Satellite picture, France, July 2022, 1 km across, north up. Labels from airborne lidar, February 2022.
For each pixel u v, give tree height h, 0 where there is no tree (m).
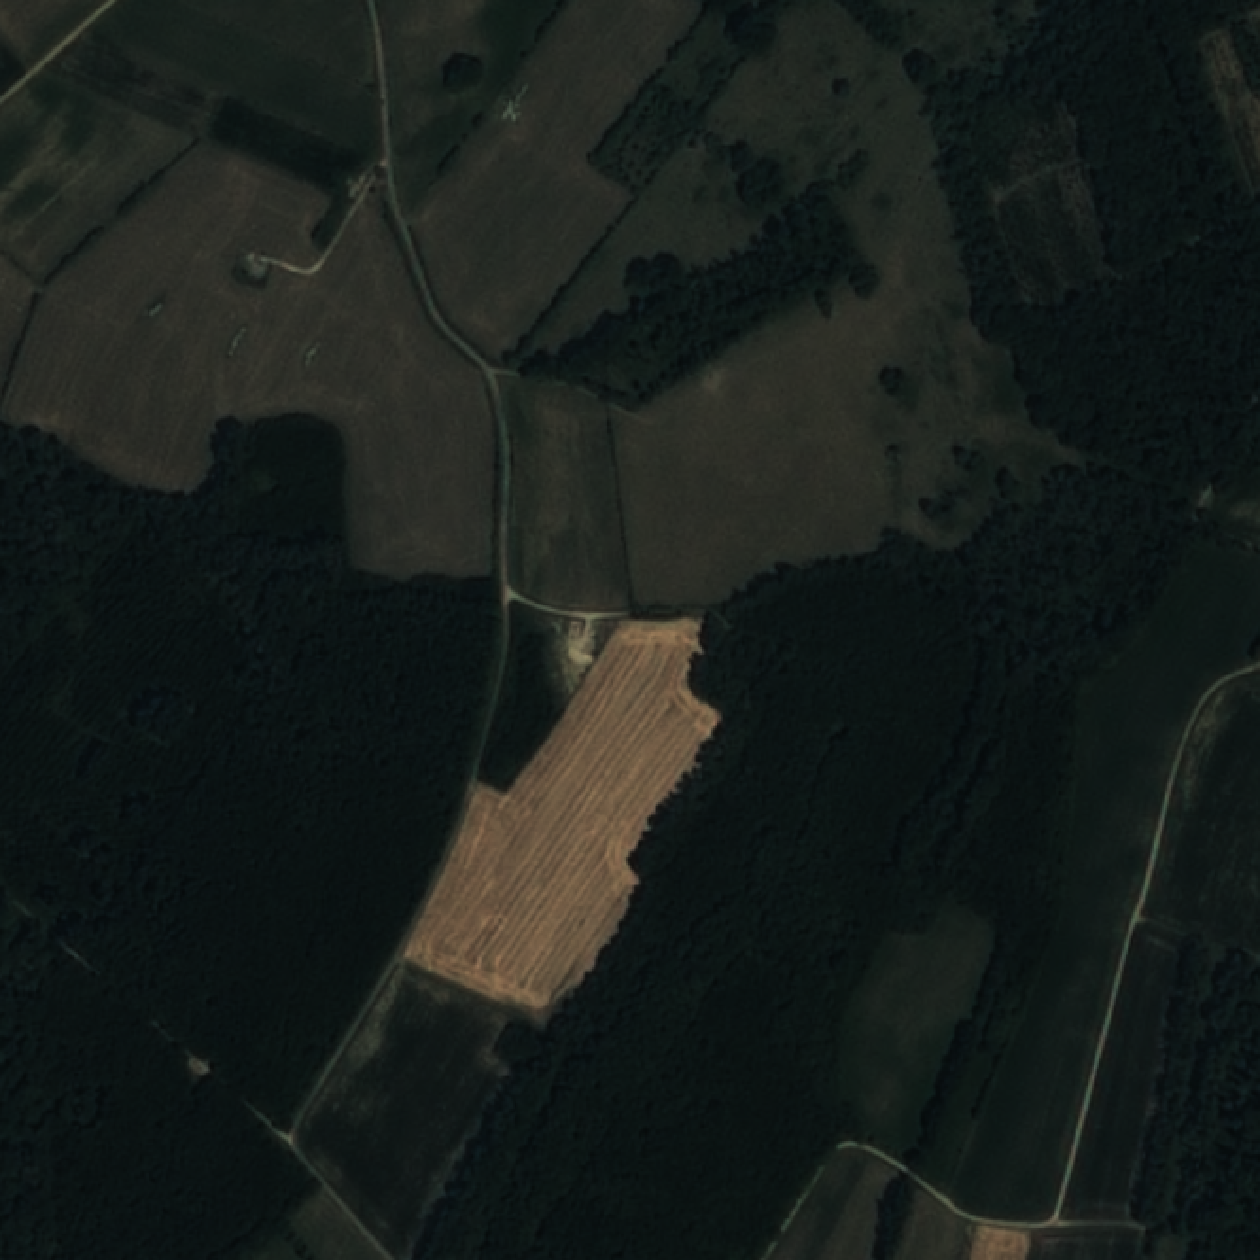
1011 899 14
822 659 9
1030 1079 0
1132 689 0
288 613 24
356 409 0
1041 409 21
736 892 11
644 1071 17
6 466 23
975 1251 0
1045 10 14
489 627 17
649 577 0
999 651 30
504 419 0
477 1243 12
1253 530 0
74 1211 19
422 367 0
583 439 0
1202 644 0
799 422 0
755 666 6
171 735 21
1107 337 19
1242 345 9
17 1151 22
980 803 25
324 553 27
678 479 0
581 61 0
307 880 16
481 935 0
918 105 0
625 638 0
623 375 0
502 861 0
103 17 0
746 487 0
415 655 20
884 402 0
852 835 14
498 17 0
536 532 0
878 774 14
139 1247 18
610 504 0
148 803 23
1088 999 0
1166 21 24
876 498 0
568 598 0
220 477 14
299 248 0
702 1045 17
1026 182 0
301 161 0
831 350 0
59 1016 14
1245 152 0
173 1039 11
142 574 9
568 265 0
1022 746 11
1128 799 0
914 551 12
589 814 0
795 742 12
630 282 9
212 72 0
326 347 0
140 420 0
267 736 15
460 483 0
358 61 0
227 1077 12
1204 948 17
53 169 0
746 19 22
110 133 0
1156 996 0
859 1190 0
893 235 0
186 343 0
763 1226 18
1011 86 9
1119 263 20
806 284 21
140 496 17
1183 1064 21
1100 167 13
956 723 13
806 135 0
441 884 0
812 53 0
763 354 0
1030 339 21
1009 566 9
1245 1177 24
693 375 13
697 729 0
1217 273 7
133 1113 14
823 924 21
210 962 14
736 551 0
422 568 0
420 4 0
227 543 23
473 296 0
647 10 0
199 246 0
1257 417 23
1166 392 19
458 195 0
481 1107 0
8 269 0
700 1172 16
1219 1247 20
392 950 10
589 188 0
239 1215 16
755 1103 12
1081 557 33
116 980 12
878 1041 0
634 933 11
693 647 0
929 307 0
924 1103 0
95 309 0
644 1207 19
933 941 0
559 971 0
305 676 21
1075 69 18
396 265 0
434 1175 0
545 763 0
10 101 0
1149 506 27
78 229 0
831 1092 13
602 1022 14
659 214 0
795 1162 15
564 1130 19
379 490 0
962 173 9
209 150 0
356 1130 0
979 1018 10
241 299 0
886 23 19
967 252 11
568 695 0
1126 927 0
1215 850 0
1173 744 0
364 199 0
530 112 0
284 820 14
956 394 0
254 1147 13
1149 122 22
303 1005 6
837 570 12
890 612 12
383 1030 0
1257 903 0
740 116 0
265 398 0
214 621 6
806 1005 20
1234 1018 22
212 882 16
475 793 0
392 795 13
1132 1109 0
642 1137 15
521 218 0
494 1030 0
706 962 18
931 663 19
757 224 0
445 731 19
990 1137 0
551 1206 12
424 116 0
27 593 25
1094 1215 0
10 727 7
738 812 12
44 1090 15
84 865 8
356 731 18
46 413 0
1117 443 21
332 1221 0
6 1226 30
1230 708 0
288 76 0
